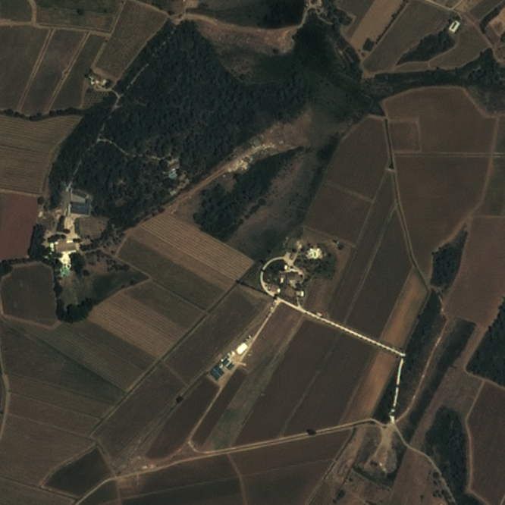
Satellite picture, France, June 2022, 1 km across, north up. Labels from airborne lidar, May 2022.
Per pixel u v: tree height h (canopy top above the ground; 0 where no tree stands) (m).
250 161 0
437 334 0
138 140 13
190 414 0
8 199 0
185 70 11
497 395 0
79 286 0
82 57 0
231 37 0
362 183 0
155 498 0
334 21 13
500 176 0
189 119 12
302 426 0
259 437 0
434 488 0
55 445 0
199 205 0
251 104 16
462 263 0
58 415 0
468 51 0
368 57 0
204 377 0
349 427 0
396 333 0
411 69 0
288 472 0
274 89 6
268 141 0
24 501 0
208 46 14
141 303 0
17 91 0
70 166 7
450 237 0
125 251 0
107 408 0
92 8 0
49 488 0
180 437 0
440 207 0
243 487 0
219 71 18
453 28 0
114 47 0
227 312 0
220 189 16
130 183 8
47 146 0
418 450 0
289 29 0
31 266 0
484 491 0
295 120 0
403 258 0
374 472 0
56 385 0
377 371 0
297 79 17
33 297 0
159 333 0
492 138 0
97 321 0
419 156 0
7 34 0
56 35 0
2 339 0
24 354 0
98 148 6
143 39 0
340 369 0
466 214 0
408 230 0
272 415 0
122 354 0
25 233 0
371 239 0
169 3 0
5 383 0
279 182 0
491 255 0
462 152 0
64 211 0
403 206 0
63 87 0
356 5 0
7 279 0
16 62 0
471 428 0
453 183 0
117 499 0
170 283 0
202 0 0
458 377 0
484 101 0
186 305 0
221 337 0
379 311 0
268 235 0
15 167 0
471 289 0
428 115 0
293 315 0
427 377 0
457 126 0
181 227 0
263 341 0
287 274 0
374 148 0
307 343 0
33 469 0
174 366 0
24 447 0
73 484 0
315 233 0
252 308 0
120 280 0
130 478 0
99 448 0
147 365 0
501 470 0
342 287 0
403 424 0
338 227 0
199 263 0
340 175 0
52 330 0
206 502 0
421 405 0
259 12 0
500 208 0
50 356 0
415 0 0
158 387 0
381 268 0
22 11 0
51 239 12
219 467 0
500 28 0
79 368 0
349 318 0
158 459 0
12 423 0
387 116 0
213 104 14
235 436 0
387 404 0
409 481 0
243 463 0
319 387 0
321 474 0
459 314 0
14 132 0
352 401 0
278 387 0
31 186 0
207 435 0
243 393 0
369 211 0
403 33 0
